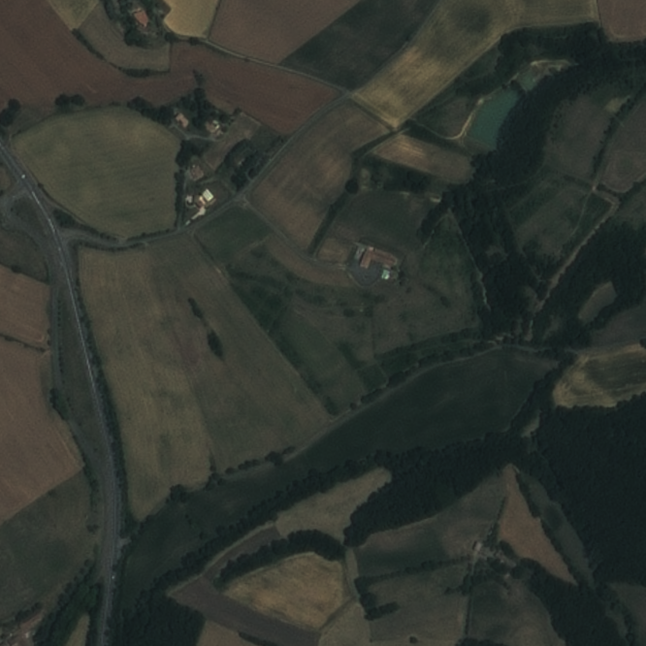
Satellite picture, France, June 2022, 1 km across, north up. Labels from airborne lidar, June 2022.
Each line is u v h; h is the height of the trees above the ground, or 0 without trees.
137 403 0
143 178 0
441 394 0
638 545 15
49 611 0
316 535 19
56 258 0
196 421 0
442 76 0
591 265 16
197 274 0
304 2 0
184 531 0
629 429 22
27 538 0
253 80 0
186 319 0
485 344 13
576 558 0
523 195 7
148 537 0
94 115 0
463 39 0
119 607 13
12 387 0
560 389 0
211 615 0
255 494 0
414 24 0
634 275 21
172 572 13
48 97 0
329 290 0
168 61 0
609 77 8
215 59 0
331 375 0
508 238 12
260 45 0
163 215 0
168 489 0
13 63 0
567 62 0
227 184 0
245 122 0
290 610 0
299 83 0
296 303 0
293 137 0
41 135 0
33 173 0
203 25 0
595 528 15
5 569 0
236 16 0
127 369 0
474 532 0
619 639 20
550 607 13
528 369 0
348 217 0
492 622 0
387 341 0
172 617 17
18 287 0
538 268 8
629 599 0
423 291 0
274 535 0
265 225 0
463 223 11
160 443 0
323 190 0
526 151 14
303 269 0
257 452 0
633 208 0
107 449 0
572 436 14
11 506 0
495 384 0
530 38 7
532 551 0
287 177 0
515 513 0
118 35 0
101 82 0
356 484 0
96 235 7
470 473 16
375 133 0
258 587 0
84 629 0
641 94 7
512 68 12
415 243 0
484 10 0
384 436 0
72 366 0
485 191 7
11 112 13
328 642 0
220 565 0
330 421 0
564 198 0
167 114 16
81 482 0
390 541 0
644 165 0
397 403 0
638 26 0
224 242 0
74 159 0
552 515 0
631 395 0
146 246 0
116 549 0
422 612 0
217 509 0
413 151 0
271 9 0
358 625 0
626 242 19
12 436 0
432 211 8
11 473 0
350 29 0
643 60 7
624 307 15
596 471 15
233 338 0
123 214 0
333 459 0
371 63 0
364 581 14
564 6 0
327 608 0
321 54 0
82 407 0
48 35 0
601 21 0
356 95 0
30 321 0
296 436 0
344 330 0
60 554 0
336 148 0
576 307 7
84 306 10
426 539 0
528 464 14
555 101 11
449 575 0
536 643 0
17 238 0
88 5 0
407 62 0
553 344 11
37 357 0
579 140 0
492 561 8
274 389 0
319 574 0
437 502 16
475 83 7
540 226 0
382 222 0
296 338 0
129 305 0
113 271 0
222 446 0
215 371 0
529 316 10
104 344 0
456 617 0
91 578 16
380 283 0
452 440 0
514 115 14
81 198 0
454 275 0
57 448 0
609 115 0
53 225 0
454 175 0
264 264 0
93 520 0
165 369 0
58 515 0
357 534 18
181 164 15
